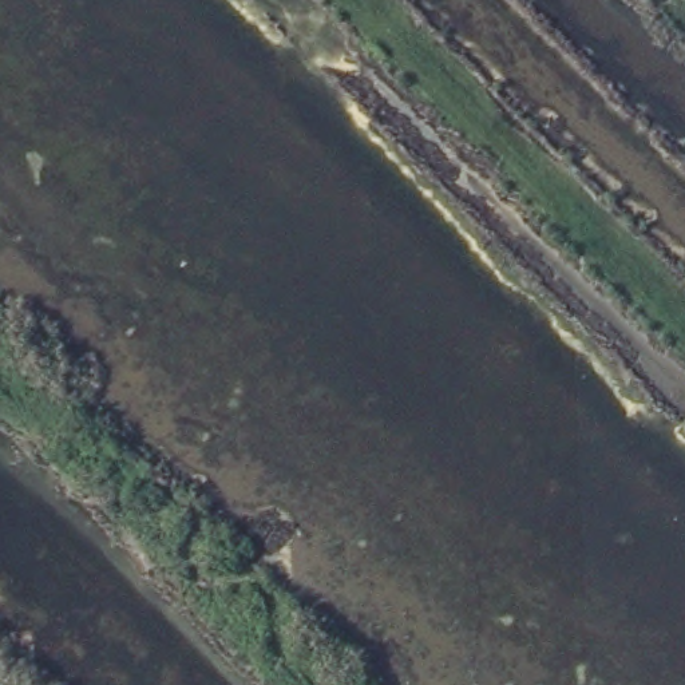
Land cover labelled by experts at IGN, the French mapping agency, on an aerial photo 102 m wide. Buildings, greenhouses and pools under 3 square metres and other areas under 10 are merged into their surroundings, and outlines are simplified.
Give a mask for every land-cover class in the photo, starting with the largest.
<instances>
[{"label":"water","instance_id":"1","mask_svg":"<svg viewBox=\"0 0 685 685\"><path fill-rule=\"evenodd\" d=\"M254 8H260L268 16V21L284 35L281 45H270L225 0H0V300H21L29 313L45 316L59 329L64 356L72 364L88 369L96 367V396L86 401L80 409L86 417H104L115 447L128 450L136 460H144L147 466H161L169 476L179 482L185 492H193L198 500H203L206 508L214 500L225 498L227 508L243 519H252L265 511L278 516L281 522L294 524L297 532L286 541V546L276 554H265L270 559L265 573L284 594L297 605L300 613L313 626H318L324 637H329V645L343 642L359 650L367 685H685V423L674 417L666 423L661 417H629L626 409L610 393V388L589 367V361L581 359L551 332L549 321L527 300L503 289L490 276V270L468 252L463 238L409 185V179H404L375 144H369L361 136L345 107L340 104V96L326 86L324 78L313 72V56L332 54L340 59L345 48L337 29L316 11L310 0H252ZM428 21V27L436 29L444 37V43L482 75L487 86L498 88V96L511 110H516L535 126V134L549 147L567 153L575 171L581 174L586 169L583 158L589 155L607 174H613L621 182V187L634 185V190H642L650 198L648 206L656 209V219L666 222L661 233L685 249V177L653 150V144L645 136L634 131L631 123L615 115L605 104V99L597 91H591L586 80L551 45H546L524 24V19H519L503 0H407ZM527 5L549 21V29L562 35L570 43L573 54L589 62L597 78L613 83L623 107H631L648 126L658 128V134L685 158V64L674 59L666 48H658L653 43L642 24V16L623 0H530ZM543 254L554 265V278H567L573 284L575 294L586 300V313L605 321L610 326V337L621 340L629 356L637 359L642 369L666 391L672 404L685 409V364L677 367L672 359L650 351V345L629 321H623L573 268L559 262V257H554L549 249H543ZM0 637H5L8 645V650L3 653V664H27L32 669L29 685H254V680L238 674L219 653L211 648L206 634L193 621L185 618L177 605L163 599L144 581L139 559L128 549L115 546L99 527V522L91 516V511L75 498H70L43 466L32 463L16 442L0 428Z\"/></svg>","mask_w":685,"mask_h":685},{"label":"brushwood","instance_id":"2","mask_svg":"<svg viewBox=\"0 0 685 685\"><path fill-rule=\"evenodd\" d=\"M519 19H524V24L546 45H551L586 80L591 91H597L605 99V104L615 115L631 123L634 131L645 136L653 144V150L685 177V158L658 134V128L648 126L631 107H623L613 83L597 78L589 62L573 54L570 43L562 35L549 29V21L527 5L530 0H503ZM642 16V24L653 43L658 48H666L674 59L685 64V0H623ZM353 56L372 62L380 67L385 64V54L377 45L361 43L356 37L348 48ZM337 80L375 123L385 126L391 142L401 144L409 153L412 166L428 169L433 179L442 185V190L455 203L468 209V214L476 219L474 235L490 252V257L500 262V268L506 265L508 270H514L527 284V289L538 300H543L559 318L565 313L575 316V329L610 334V326L605 321L586 313V300L575 294L573 284L567 278H554V265L543 254V249H549L554 257H559V262L573 268L623 321H629L650 345V351L672 359L677 351L674 334L653 318L650 310L631 300L623 284H615V289H610L605 286V281H599L605 278L602 265L583 260V243H578L567 233V227L557 225L554 219L538 211L535 198L527 195L508 177L506 166L490 147L471 144L468 136L455 126L436 123L444 142V153L455 150L458 161L479 171L482 179L500 185L498 193L503 195V201L519 206V214L524 219V235H511L508 222H503L487 206L484 195H471L458 185L460 171L444 158V153L436 142L423 139V134L409 123V118L393 110L380 96V91L372 88L367 78L340 72ZM16 367L24 372L27 388H54L64 393V401L56 404L62 417L59 442H45L40 433L21 436L16 442L32 463L43 466L70 498H75L91 511V516L99 522V527L115 546L128 549L139 559L144 581L163 599L177 605L185 618L193 621L201 613V602L206 597L222 599L238 615L262 618V645L270 658L281 653L276 602L284 594L265 573L270 559L265 554H276L286 546V541L297 532L294 524L281 522L278 516L265 511L252 519H243L227 508L225 498L214 500L206 508L203 500H198L193 492H185L179 482L169 476L161 466H147L144 460H136L128 450L115 447L104 417H86L80 409L86 401L96 396V367L88 369L72 364L64 356L59 329L45 316L29 313L21 300H0V369ZM607 351L623 361L631 377L642 380L645 391L650 393V401L669 407L674 417L685 423V409L672 404L666 391L642 369L637 359L629 356L621 340L610 337ZM300 650L305 658L332 653V664L324 672L332 685H367L359 650L343 642L329 645V637H324L318 626H313L300 613ZM211 648L219 653L233 640V634L225 626H211L206 634ZM8 650V645L5 637H0V685H29L32 669L27 664H3V653Z\"/></svg>","mask_w":685,"mask_h":685},{"label":"herbaceous vegetation","instance_id":"3","mask_svg":"<svg viewBox=\"0 0 685 685\"><path fill-rule=\"evenodd\" d=\"M316 11L337 29L345 48H348L356 37L361 43L377 45L385 54V64L380 67L372 62L375 78L385 83L391 94H396L409 107L423 104L436 118V123L455 126L468 136L471 144L490 147L506 166L508 177L527 195L535 198L538 211L554 219L557 225L567 227V233L578 243H583V260L602 265L605 278L599 281H605V286L610 289H615V284H623L631 300L650 310L653 318L674 334L677 351L672 359L677 367L685 364V270H674L648 238H642L634 230L629 217H623L615 209L610 195L594 190L581 174L575 171L567 153L549 147L535 134V126L516 110H511L498 96V88L487 86L482 75L444 43V37L436 29L428 27V21L407 0H310ZM64 401V393L54 388H27L24 372L16 367L0 369V428L16 442L21 436L40 433L45 442H59L62 417L56 404ZM281 653L270 658L262 645V618L238 615L222 599L206 597L201 602V613L193 621L206 634L211 626H225L233 634V640L219 653L238 674L254 680V685H332L324 672L332 664V653L305 658L300 650V613L297 605L284 594L276 602Z\"/></svg>","mask_w":685,"mask_h":685},{"label":"bare soil","instance_id":"4","mask_svg":"<svg viewBox=\"0 0 685 685\"><path fill-rule=\"evenodd\" d=\"M270 45H281L284 35L268 21V16L260 8H254L252 0H225ZM313 72L324 78L326 86L340 96V104L345 107L361 136L369 144H375L404 179H409V185L463 238L468 252L490 270V276L503 289L527 300L549 321L551 332L581 359L589 361V367L610 388V393L626 409L629 417H661L666 423L674 417L669 407L650 401V393L645 391L642 380L631 377L623 361L607 351L610 337V334L575 329V316L565 313L559 318L543 300H538L527 289V284L514 270H508L506 265L500 268V262L490 257V252L474 235L476 219L468 214V209L455 203L442 190V185L433 179L428 169L412 166L409 153L401 144L391 142L385 126L375 123L337 80L340 72L367 78L372 88L380 91V96L393 110L409 118V123L423 134V139L436 142L444 153V142L436 123V118L423 104L409 107L396 94H391L385 83L375 78L372 62L353 56L348 48H345L340 59L332 54L313 56ZM444 158L460 171L458 185L471 195H484L487 206L503 222H508L511 235H524V219L519 214V206L503 201V195L498 193L500 185L482 179L479 171L458 161L455 150L444 153ZM586 169L581 174L594 190L610 195L615 209L623 217H629L634 230L642 238H648L674 270H685V249L661 233L666 222L656 219V209L648 206L650 198L642 190H634V185L621 187V182L613 174H607L589 155L583 158Z\"/></svg>","mask_w":685,"mask_h":685}]
</instances>
